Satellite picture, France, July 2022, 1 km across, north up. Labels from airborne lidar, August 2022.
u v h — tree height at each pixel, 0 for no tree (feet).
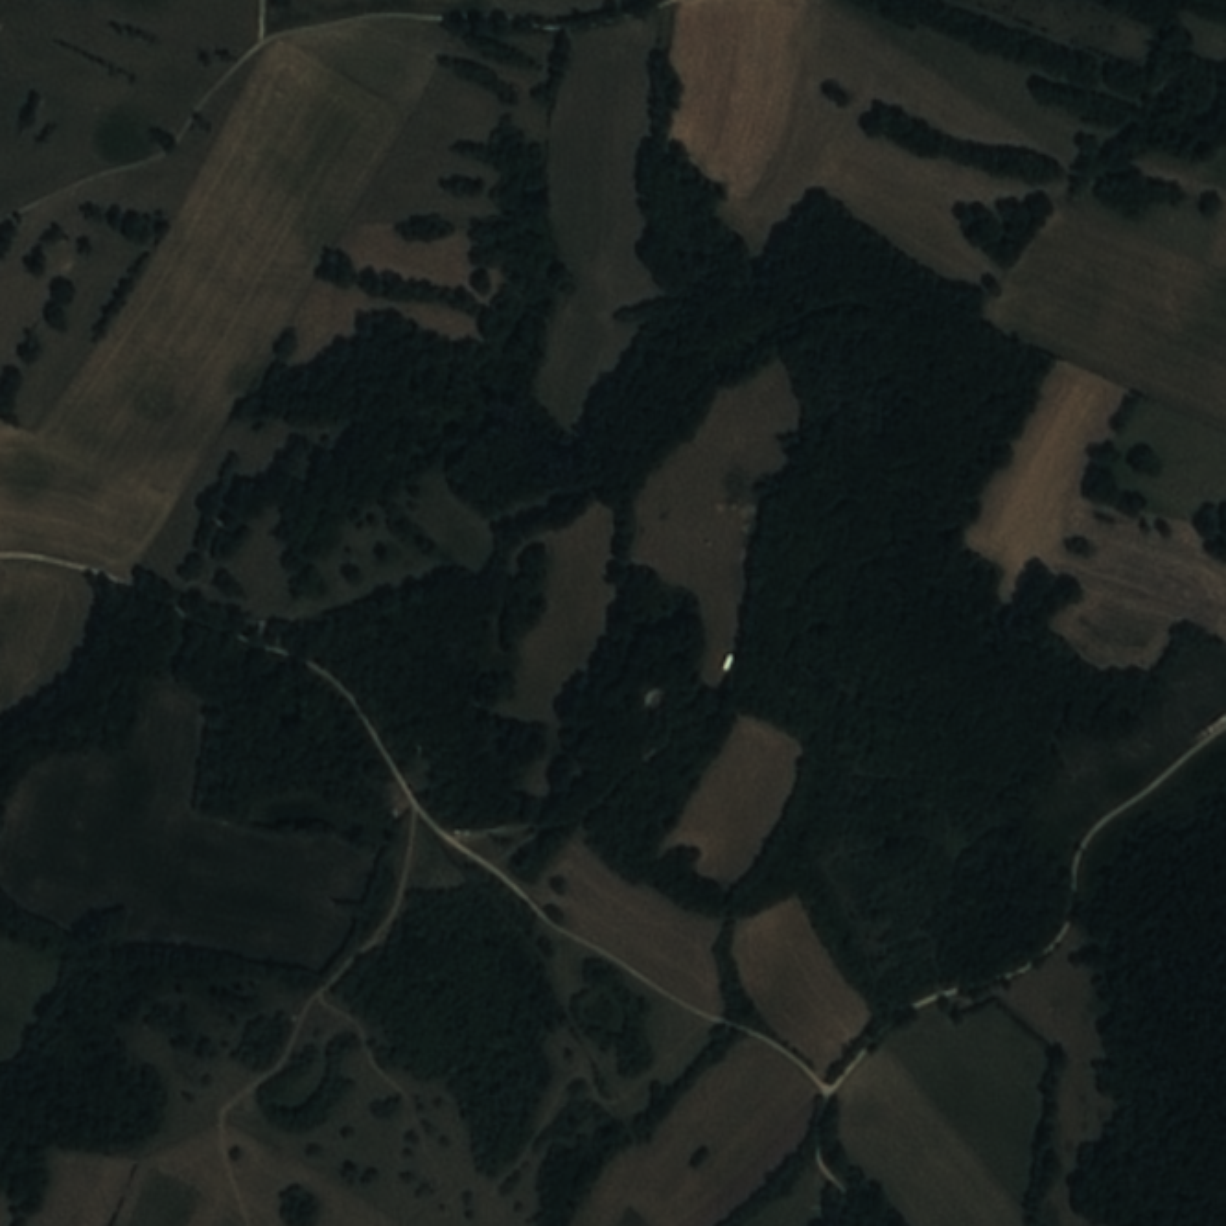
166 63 0
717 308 61
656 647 58
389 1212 0
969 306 61
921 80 0
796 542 44
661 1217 0
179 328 0
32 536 0
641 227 0
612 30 0
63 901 0
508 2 0
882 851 20
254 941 0
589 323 0
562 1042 0
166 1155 0
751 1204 24
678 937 0
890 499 45
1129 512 49
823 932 21
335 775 26
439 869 0
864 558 49
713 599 0
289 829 25
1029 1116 0
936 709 33
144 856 0
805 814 22
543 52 0
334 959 24
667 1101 34
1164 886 39
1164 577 0
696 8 0
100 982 30
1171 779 0
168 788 0
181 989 29
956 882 21
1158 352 0
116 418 0
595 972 36
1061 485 0
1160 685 35
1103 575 0
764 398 0
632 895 0
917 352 58
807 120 0
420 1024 22
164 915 0
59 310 38
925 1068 0
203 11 0
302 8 0
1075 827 0
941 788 28
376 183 0
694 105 0
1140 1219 49
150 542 0
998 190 0
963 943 35
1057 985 0
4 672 0
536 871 29
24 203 0
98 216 36
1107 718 59
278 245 0
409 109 0
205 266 0
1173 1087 38
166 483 0
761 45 0
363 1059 0
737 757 0
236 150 0
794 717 35
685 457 0
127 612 56
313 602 0
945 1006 44
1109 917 39
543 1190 26
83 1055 27
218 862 0
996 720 39
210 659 39
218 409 0
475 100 0
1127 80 54
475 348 38
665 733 39
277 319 0
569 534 0
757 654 33
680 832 0
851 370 33
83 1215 0
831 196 46
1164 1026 37
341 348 46
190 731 0
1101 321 0
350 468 39
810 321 51
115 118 0
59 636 0
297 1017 0
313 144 0
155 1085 32
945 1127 0
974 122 0
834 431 51
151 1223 0
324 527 46
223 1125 0
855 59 0
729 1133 0
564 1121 21
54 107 0
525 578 30
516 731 53
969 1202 0
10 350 0
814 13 0
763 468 0
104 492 0
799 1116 0
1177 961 50
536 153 36
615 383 51
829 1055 0
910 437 58
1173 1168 61
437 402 51
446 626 41
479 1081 36
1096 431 0
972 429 67
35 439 0
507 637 36
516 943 27
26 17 0
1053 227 0
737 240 45
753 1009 42
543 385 0
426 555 34
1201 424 0
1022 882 45
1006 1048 0
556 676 0
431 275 0
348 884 0
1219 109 45
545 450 85
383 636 39
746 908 25
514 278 45
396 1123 0
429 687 50
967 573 52
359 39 0
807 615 38
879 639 44
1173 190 38
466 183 36
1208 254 0
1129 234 0
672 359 45
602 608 0
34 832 0
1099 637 0
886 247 59
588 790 48
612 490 53
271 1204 0
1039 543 0
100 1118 37
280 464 44
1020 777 35
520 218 41
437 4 0
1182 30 35
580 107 0
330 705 27
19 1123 47
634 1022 25
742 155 0
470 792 32
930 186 0
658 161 41
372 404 52
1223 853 44
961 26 35
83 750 49
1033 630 54
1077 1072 0
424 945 30
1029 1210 33
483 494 44
